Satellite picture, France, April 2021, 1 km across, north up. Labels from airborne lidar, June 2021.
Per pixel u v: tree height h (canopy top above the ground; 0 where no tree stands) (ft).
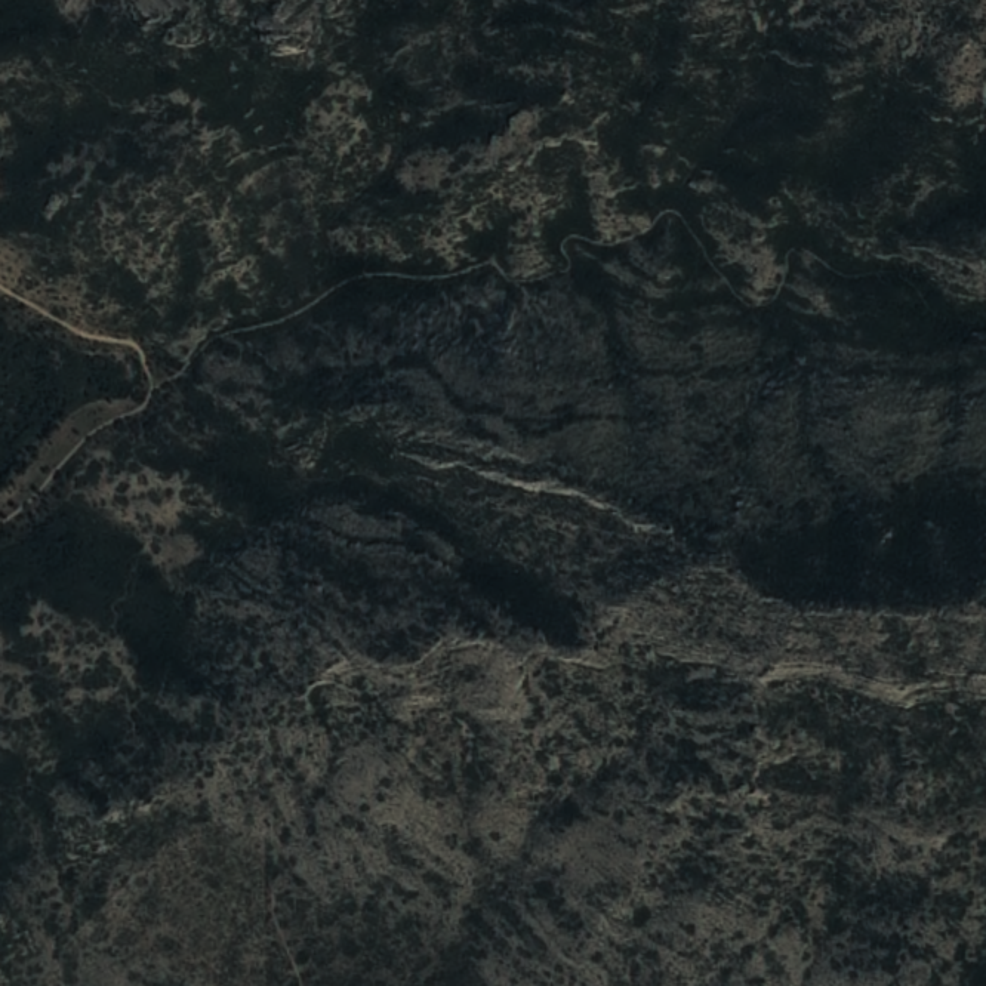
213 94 0
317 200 0
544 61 0
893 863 0
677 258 0
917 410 0
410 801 0
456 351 0
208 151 0
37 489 27
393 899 0
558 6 0
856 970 0
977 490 0
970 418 0
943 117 0
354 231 0
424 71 0
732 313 0
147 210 0
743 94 0
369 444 0
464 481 0
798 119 0
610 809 0
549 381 0
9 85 0
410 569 0
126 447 0
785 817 0
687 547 0
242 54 0
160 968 0
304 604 0
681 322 0
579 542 0
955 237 0
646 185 0
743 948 0
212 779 0
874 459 0
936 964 0
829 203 0
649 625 0
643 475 0
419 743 0
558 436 0
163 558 0
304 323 0
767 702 0
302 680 0
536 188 0
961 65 0
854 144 0
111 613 0
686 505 0
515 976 0
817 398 0
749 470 0
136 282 0
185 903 0
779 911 0
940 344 0
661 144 0
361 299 0
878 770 0
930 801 0
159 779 0
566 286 0
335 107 0
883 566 0
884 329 0
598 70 0
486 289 0
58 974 0
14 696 0
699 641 0
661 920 0
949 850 0
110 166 0
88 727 0
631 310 0
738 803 0
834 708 0
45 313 0
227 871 0
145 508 0
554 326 0
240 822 0
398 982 0
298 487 0
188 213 0
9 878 0
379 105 0
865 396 0
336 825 0
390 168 0
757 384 0
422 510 0
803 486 0
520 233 0
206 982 0
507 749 0
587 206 0
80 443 0
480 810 0
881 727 0
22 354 21
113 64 0
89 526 0
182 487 0
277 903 0
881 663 0
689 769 0
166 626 0
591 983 0
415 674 0
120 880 0
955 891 0
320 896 0
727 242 0
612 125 0
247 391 0
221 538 0
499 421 0
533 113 0
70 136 0
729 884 0
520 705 0
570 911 0
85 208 0
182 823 0
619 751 0
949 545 0
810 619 0
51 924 0
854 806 0
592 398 0
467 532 0
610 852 0
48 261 0
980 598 0
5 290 0
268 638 0
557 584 0
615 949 0
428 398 0
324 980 0
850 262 0
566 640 0
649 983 0
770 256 0
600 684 0
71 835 0
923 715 0
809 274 0
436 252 0
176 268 0
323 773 0
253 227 0
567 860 0
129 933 0
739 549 0
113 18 0
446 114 0
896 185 0
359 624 0
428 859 0
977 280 0
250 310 0
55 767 0
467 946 0
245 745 0
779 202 0
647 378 0
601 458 0
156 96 0
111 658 0
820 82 0
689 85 0
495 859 0
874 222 0
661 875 0
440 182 0
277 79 0
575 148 0
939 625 0
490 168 0
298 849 0
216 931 0
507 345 0
